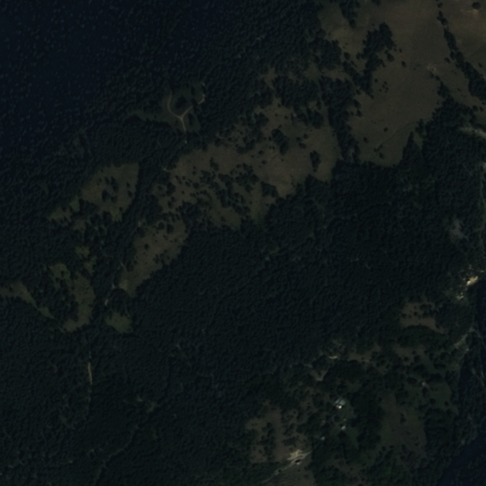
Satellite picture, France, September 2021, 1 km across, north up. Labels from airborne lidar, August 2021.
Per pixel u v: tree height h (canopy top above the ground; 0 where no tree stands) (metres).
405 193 15
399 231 19
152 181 12
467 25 0
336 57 14
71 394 9
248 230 23
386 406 0
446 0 0
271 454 8
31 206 21
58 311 20
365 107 0
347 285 24
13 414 24
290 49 17
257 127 13
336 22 0
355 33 0
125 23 27
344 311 25
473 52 0
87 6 17
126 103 19
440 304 15
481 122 0
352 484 12
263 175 0
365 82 24
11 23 6
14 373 22
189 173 0
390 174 17
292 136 0
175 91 17
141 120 0
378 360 11
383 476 18
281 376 17
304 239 24
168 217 12
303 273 24
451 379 13
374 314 23
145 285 11
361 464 9
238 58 7
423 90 0
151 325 21
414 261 29
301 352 22
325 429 12
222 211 0
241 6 23
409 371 12
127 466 23
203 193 9
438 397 0
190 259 25
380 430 15
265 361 18
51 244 27
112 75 23
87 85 14
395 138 0
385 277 27
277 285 25
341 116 23
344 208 10
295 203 25
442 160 25
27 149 10
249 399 20
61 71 24
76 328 0
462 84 0
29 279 19
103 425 19
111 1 19
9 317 17
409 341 22
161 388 22
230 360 28
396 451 10
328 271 24
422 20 0
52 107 24
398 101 0
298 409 7
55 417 9
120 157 21
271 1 17
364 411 20
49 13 22
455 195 19
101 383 11
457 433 17
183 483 15
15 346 20
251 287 24
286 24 8
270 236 11
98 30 23
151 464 17
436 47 0
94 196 0
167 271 25
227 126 15
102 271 15
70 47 22
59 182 27
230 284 20
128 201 0
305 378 7
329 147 0
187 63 26
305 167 0
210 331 28
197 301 23
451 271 32
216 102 24
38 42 19
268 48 12
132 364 22
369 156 0
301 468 0
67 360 24
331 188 7
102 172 9
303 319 24
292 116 8
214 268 26
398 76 0
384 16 0
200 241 20
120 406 21
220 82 18
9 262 20
